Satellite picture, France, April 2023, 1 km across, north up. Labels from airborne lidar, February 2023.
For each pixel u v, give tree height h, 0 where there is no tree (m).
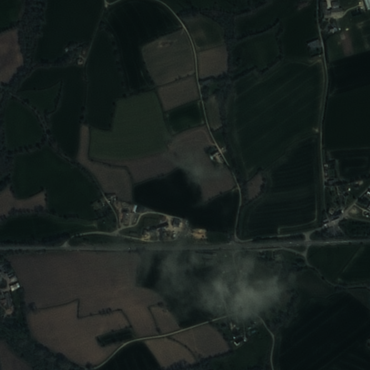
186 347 7
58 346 0
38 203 0
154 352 0
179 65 0
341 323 0
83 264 0
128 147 0
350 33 0
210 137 0
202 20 0
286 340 0
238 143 0
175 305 0
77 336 0
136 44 0
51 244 17
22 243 10
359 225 6
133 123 0
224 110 14
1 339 23
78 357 0
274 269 6
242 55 0
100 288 0
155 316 0
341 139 0
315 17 9
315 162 0
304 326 0
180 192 0
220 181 0
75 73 0
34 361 12
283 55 7
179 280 0
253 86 0
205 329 0
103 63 0
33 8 9
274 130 0
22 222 0
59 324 0
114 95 0
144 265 0
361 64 0
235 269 0
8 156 14
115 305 0
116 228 9
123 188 0
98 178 0
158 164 0
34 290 0
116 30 0
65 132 0
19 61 0
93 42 0
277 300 10
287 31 0
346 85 0
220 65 0
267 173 0
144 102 0
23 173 0
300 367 0
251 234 0
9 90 9
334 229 0
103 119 0
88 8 0
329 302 0
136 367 0
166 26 0
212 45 0
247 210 0
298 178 0
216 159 9
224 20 8
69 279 0
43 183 0
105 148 0
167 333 0
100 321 0
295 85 0
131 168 0
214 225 0
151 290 0
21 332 18
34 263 0
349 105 0
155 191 0
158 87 0
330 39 0
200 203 0
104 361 0
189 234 0
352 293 0
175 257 0
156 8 0
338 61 0
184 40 0
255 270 0
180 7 0
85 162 0
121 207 0
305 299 0
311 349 0
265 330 0
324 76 0
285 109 0
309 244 0
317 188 0
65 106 0
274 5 0
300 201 0
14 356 0
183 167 0
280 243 0
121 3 0
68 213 0
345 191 8
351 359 0
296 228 0
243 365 0
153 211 0
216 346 0
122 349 0
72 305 0
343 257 0
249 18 0
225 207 0
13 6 0
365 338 0
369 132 0
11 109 0
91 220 0
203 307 12
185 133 0
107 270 0
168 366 0
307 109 0
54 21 0
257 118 0
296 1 0
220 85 9
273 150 0
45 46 0
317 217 0
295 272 17
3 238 0
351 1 0
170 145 0
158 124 0
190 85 0
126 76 0
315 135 0
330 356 0
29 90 0
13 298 10
